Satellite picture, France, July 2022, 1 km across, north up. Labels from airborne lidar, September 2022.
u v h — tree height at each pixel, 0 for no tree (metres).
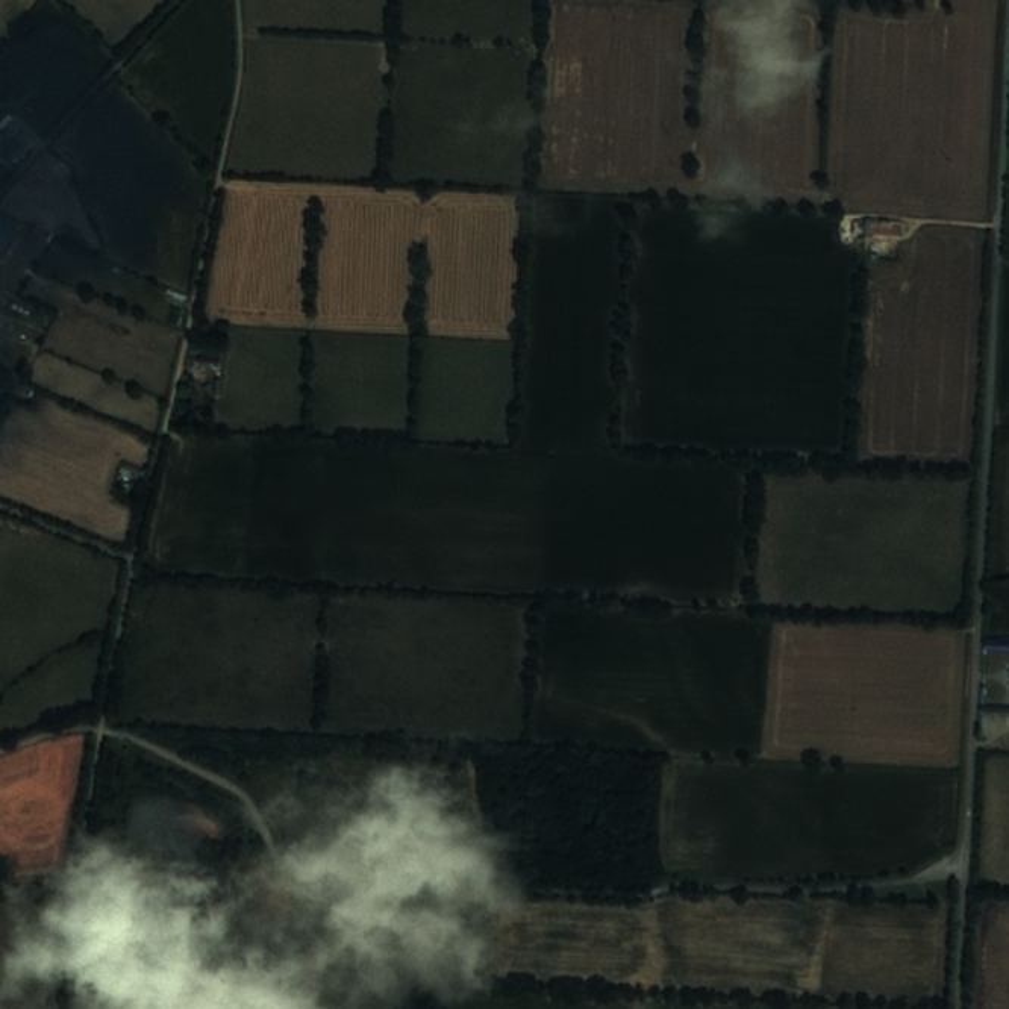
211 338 23
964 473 18
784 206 16
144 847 0
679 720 0
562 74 0
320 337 0
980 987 0
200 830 0
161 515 0
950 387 0
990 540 10
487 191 7
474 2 0
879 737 0
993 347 0
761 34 0
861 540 0
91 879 9
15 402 6
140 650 0
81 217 0
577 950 0
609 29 0
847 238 0
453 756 12
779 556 0
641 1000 14
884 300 0
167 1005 0
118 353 0
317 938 0
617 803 23
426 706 0
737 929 0
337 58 0
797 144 0
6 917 0
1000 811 0
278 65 0
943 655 0
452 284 0
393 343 0
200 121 0
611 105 0
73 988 11
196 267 6
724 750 0
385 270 0
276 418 0
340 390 0
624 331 18
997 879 0
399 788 8
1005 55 0
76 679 0
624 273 14
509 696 0
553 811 22
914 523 0
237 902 0
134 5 0
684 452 13
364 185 10
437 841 8
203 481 0
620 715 0
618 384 16
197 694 0
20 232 0
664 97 0
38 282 0
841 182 0
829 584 0
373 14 0
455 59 0
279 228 0
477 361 0
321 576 0
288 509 0
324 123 0
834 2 16
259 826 0
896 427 0
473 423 0
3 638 0
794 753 0
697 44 18
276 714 0
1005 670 0
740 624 0
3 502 7
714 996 14
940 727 0
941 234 0
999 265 0
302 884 0
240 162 0
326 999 0
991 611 7
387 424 0
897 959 0
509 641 0
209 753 8
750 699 0
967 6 0
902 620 9
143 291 0
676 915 0
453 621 0
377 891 0
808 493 0
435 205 0
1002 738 0
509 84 0
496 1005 0
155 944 0
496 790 8
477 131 0
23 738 7
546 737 0
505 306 0
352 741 7
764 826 0
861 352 15
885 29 0
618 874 18
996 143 0
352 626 0
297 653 0
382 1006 14
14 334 0
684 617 0
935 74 0
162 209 0
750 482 16
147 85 0
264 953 0
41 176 0
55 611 0
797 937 0
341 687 0
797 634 0
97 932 8
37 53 0
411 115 0
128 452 0
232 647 0
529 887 16
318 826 0
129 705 0
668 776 0
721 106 0
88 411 6
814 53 0
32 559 0
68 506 0
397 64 15
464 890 0
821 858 0
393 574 0
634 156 0
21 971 0
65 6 12
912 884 0
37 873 0
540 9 17
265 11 0
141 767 6
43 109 0
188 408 6
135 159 0
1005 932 0
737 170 0
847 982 0
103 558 6
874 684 0
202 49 0
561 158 0
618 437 14
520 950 0
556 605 15
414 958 0
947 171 0
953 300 0
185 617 0
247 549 0
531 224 13
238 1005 0
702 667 0
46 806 0
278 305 0
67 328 0
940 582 0
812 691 0
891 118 0
